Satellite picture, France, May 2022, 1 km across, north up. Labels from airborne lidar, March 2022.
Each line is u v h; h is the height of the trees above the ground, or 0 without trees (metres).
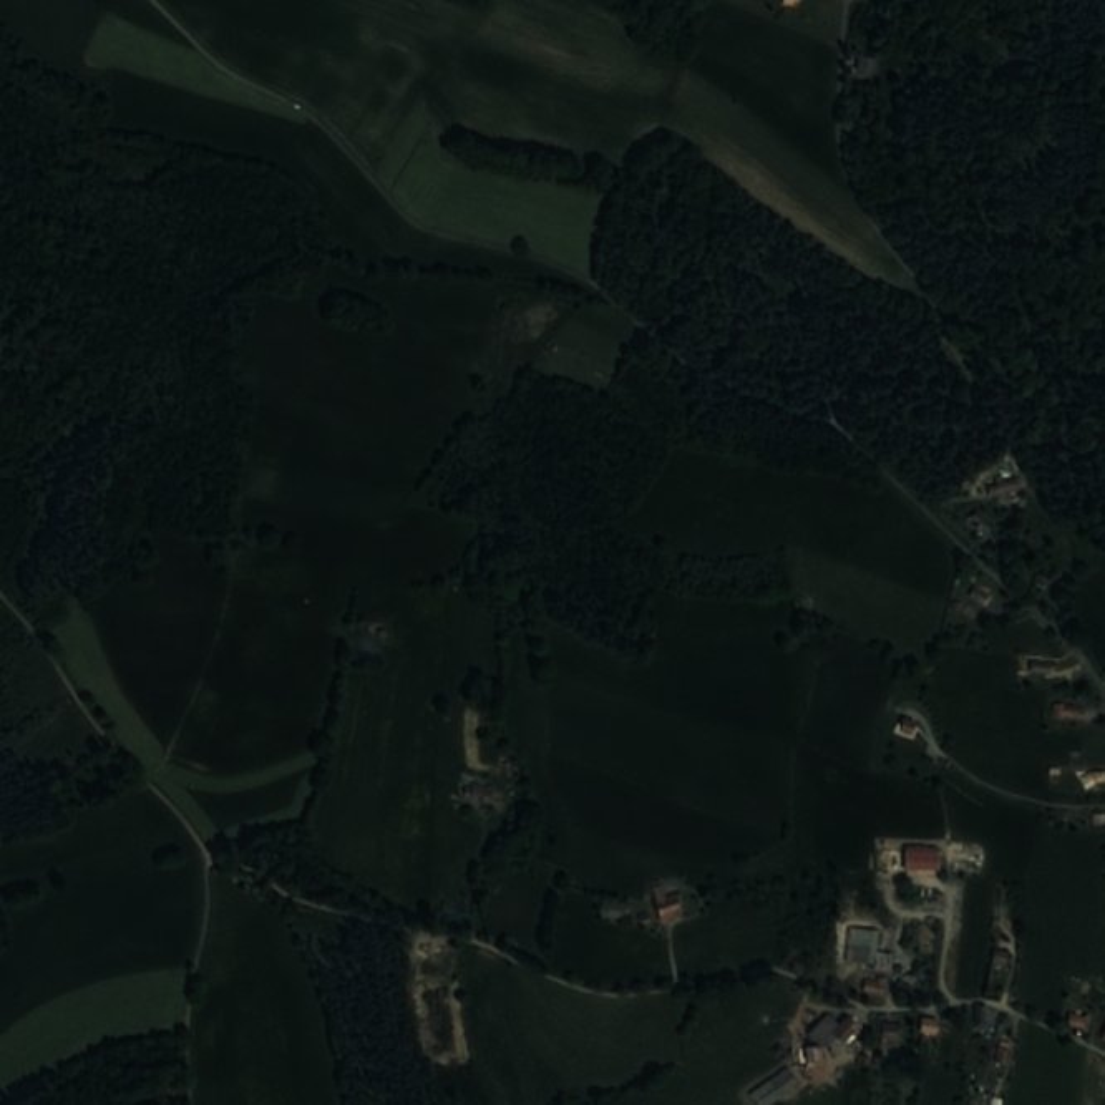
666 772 0
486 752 0
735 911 0
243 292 26
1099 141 27
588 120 0
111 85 0
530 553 22
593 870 0
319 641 0
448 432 0
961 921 0
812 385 34
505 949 19
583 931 0
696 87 0
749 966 0
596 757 0
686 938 0
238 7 0
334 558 0
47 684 0
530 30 0
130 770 26
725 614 0
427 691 0
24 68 18
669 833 0
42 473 20
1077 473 32
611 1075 0
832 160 0
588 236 0
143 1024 0
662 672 0
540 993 0
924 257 25
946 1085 0
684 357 16
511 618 9
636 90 0
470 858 0
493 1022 0
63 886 22
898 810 0
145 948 0
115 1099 14
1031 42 22
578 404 16
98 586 23
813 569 0
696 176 25
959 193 19
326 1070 0
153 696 0
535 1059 0
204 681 0
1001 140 24
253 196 14
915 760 0
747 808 0
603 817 0
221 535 21
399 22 0
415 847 0
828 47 0
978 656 0
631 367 13
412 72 0
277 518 0
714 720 0
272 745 0
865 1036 13
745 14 0
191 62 0
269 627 0
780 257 26
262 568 0
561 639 0
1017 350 32
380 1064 21
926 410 29
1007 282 21
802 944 0
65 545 30
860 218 0
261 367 0
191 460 15
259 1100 0
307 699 0
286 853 15
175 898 0
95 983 0
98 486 18
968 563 17
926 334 29
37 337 30
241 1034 0
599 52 0
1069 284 30
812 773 0
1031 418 32
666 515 0
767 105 0
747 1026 0
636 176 24
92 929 0
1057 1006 0
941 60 21
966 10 28
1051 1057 0
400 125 0
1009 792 0
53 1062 0
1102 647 0
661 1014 0
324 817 0
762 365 29
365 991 18
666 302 20
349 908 27
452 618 0
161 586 0
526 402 16
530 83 0
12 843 7
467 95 0
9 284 10
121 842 0
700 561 6
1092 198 28
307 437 0
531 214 0
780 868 0
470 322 0
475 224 0
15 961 0
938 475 26
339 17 0
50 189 15
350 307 23
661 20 22
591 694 0
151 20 0
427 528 0
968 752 0
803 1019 0
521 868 11
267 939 0
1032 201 28
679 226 27
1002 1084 0
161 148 11
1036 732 0
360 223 0
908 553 0
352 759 0
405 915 9
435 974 0
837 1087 0
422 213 0
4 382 15
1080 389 32
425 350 0
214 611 0
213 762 0
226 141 0
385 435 0
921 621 0
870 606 0
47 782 29
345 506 0
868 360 24
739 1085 0
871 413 25
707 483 0
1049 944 0
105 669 0
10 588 0
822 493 0
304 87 0
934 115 27
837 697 0
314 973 11
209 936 0
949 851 0
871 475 20
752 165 0
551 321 0
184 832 0
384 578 0
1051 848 0
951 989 0
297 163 0
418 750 0
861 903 0
